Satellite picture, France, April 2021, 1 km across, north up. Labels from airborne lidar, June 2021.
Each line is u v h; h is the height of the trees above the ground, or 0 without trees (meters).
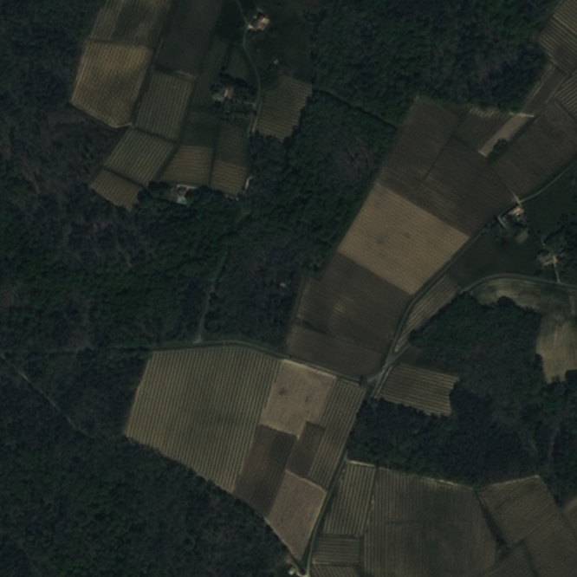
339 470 0
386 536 0
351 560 0
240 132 0
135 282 25
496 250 0
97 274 16
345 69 20
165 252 20
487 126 0
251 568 15
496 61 13
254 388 0
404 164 0
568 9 0
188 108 0
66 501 26
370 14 18
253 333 15
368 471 0
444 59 17
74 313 20
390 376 0
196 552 11
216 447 0
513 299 0
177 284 23
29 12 14
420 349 19
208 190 13
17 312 21
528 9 21
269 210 27
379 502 0
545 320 0
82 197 23
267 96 0
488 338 15
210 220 29
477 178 0
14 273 22
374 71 21
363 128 20
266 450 0
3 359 12
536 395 16
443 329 21
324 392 0
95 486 26
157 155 0
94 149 18
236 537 9
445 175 0
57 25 17
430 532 0
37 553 21
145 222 21
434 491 0
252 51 0
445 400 0
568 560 0
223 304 23
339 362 0
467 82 16
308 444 0
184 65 0
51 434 22
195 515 20
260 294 11
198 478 15
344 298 0
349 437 0
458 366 15
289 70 16
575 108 0
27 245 24
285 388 0
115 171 0
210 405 0
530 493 0
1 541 17
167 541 24
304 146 22
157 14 0
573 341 0
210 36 0
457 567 0
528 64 23
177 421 0
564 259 10
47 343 20
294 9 0
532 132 0
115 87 0
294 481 0
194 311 25
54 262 20
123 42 0
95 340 15
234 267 18
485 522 0
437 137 0
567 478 16
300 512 0
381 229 0
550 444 23
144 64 0
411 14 26
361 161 9
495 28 17
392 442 13
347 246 0
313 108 20
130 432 0
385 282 0
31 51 21
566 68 0
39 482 24
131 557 20
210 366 0
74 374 9
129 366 25
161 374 0
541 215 0
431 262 0
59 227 19
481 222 0
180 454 0
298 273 10
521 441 23
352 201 14
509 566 0
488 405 22
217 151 0
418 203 0
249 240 23
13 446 13
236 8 0
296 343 0
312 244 19
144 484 16
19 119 20
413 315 0
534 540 0
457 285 0
